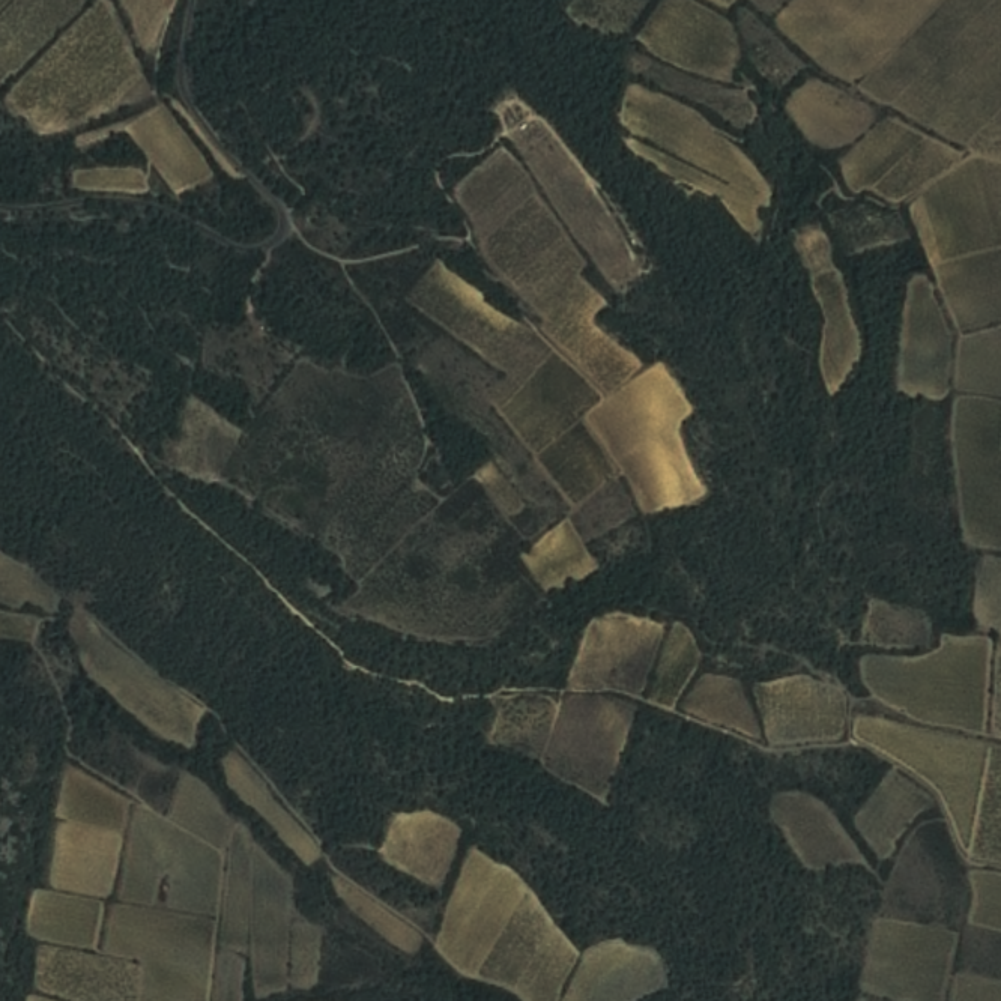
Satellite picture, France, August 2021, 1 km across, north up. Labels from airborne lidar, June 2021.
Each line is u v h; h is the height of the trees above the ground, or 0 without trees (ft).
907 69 0
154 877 0
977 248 0
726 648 29
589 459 0
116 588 24
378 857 26
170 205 28
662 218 33
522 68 35
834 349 0
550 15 46
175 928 0
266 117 29
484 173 0
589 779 0
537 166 0
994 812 0
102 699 29
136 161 24
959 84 0
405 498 0
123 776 18
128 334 20
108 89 0
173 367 42
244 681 23
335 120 23
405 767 29
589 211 0
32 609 29
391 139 27
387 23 28
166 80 35
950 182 0
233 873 0
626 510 0
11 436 32
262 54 38
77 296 34
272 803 0
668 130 0
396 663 23
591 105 46
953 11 0
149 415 27
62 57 0
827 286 0
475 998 23
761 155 42
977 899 0
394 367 0
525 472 0
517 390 0
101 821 0
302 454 0
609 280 0
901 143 0
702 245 25
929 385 0
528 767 43
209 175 0
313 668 31
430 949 19
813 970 31
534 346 0
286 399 0
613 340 0
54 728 41
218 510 30
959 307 0
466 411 0
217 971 0
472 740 29
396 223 24
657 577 33
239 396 37
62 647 20
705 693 0
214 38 29
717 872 23
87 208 24
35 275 33
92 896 0
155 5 0
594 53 48
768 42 0
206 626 37
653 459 0
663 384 0
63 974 0
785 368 41
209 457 0
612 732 0
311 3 31
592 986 0
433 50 32
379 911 0
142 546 18
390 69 29
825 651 34
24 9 0
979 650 0
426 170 27
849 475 24
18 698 29
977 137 0
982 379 0
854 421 37
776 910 19
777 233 30
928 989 0
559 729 0
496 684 29
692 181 0
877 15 0
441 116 36
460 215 31
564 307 0
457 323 0
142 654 23
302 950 0
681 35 0
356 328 23
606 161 36
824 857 0
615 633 0
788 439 37
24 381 21
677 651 0
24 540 36
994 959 0
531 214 0
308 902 26
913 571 24
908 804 0
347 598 24
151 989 0
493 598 0
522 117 0
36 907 0
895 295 23
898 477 38
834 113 0
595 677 0
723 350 23
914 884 0
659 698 0
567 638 23
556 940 0
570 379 0
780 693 0
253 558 25
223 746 35
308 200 27
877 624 0
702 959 21
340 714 32
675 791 19
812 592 33
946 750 0
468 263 28
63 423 24
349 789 24
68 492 22
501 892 0
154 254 22
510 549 19
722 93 0
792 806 0
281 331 24
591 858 31
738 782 30
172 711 0
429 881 0
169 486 29
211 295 18
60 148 32
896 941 0
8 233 39
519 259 0
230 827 0
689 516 29
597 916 19
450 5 41
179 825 0
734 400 0
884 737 0
